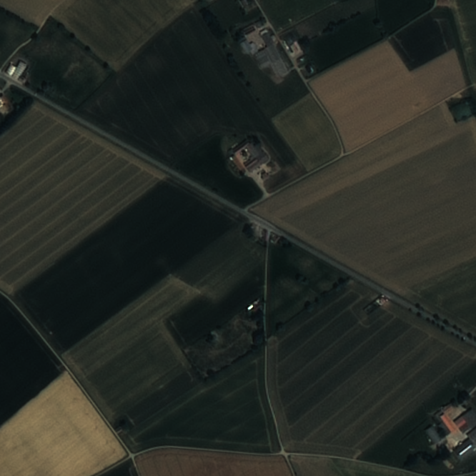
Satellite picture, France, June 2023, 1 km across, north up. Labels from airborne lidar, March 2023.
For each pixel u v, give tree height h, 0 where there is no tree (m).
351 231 0
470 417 0
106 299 0
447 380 0
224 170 0
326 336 0
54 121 0
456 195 0
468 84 0
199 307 0
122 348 0
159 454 0
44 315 0
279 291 0
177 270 0
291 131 0
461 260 0
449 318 0
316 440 0
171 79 0
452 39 0
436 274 0
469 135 0
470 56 0
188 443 0
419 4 0
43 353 0
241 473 0
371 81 0
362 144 0
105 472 0
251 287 0
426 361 0
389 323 0
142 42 0
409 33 0
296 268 0
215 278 0
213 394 0
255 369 0
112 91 0
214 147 0
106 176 0
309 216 0
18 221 0
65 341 0
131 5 0
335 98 0
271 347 0
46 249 0
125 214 0
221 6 0
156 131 0
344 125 0
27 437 0
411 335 0
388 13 0
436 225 0
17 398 0
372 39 0
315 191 0
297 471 0
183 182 0
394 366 0
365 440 0
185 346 0
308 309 13
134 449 0
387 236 0
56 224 0
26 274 0
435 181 0
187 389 0
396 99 0
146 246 0
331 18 0
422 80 0
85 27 0
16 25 0
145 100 0
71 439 0
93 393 0
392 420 0
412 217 0
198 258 0
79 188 0
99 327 0
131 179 0
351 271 0
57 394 0
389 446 0
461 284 0
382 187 0
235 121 0
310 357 0
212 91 0
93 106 0
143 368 0
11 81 0
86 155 0
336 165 0
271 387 0
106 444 0
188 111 0
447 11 0
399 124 0
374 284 0
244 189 0
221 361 0
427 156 0
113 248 0
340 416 0
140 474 0
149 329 0
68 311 0
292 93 0
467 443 0
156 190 0
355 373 0
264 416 0
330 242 0
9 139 0
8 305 0
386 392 0
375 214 0
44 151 0
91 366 0
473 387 0
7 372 0
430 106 0
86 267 0
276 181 0
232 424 0
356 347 0
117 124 0
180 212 0
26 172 0
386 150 0
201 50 0
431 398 0
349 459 0
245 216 0
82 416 0
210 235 0
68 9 0
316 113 0
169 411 0
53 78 0
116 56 0
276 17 0
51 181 0
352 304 0
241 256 0
